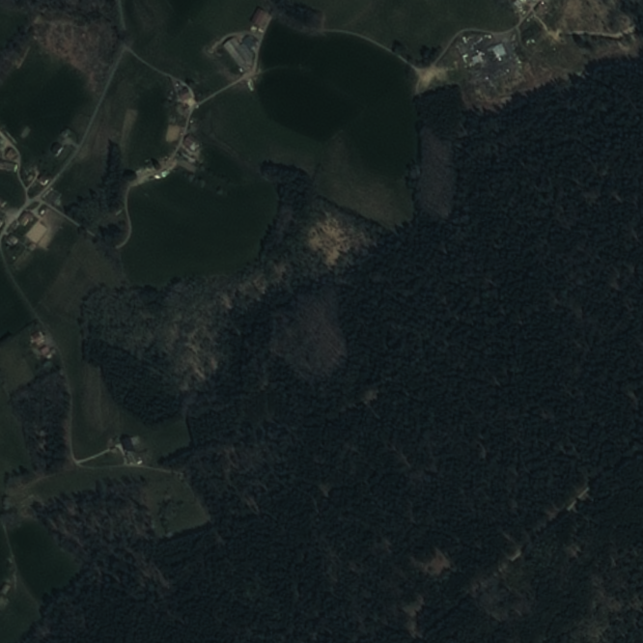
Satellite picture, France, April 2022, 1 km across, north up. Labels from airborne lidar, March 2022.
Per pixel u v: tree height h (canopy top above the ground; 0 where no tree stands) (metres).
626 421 21
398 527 18
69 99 0
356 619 21
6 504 12
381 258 29
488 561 23
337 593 17
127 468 0
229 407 22
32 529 0
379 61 0
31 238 0
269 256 19
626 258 19
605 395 23
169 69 0
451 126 20
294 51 0
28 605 0
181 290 20
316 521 17
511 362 19
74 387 0
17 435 0
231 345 19
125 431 0
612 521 17
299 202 29
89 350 15
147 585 13
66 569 0
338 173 0
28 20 8
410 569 19
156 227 0
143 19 0
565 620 17
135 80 0
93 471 0
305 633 22
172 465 15
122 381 22
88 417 0
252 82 0
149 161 0
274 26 0
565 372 22
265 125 0
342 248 0
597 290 25
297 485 16
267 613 20
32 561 0
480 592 12
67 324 0
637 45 0
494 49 0
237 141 0
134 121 0
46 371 8
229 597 23
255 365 26
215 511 18
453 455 22
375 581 16
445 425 22
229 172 0
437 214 27
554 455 21
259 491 28
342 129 0
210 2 0
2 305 0
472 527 20
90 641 20
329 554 18
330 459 19
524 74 0
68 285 0
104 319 17
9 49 12
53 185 0
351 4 0
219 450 27
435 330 11
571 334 21
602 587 20
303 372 28
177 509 9
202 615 23
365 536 18
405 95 0
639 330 19
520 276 17
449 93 18
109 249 20
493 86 0
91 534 31
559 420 25
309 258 14
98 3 31
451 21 0
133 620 18
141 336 14
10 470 0
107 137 0
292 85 0
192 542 22
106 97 0
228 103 0
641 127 19
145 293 14
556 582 12
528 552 17
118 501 28
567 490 21
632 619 23
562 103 22
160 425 21
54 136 0
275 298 25
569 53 0
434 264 24
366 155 0
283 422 7
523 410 20
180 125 0
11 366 0
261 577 17
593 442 24
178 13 0
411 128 0
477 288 22
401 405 14
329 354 32
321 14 12
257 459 20
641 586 22
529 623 19
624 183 11
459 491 17
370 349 15
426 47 0
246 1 0
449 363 20
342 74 0
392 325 17
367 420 19
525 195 18
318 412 21
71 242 0
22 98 0
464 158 15
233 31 0
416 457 18
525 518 26
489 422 21
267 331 23
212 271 0
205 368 10
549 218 13
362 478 19
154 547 20
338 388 23
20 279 0
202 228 0
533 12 0
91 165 0
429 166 29
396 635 22
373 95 0
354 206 0
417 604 20
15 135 0
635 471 21
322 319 30
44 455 20
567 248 11
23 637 0
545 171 17
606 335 23
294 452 18
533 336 22
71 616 19
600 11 0
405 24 0
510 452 17
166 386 18
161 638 20
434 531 16
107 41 11
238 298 13
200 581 20
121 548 21
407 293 20
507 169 23
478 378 19
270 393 6
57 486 0
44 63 0
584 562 20
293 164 0
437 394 21
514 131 26
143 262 0
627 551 18
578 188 22
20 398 18
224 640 21
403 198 0
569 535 16
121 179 21
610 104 22
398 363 23
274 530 23
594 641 14
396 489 17
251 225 0
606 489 21
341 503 20
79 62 0
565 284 25
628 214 16
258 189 0
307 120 0
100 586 24
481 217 16
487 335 20
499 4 14
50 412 20
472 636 25
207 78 0
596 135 23
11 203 0
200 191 0
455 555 17
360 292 20
